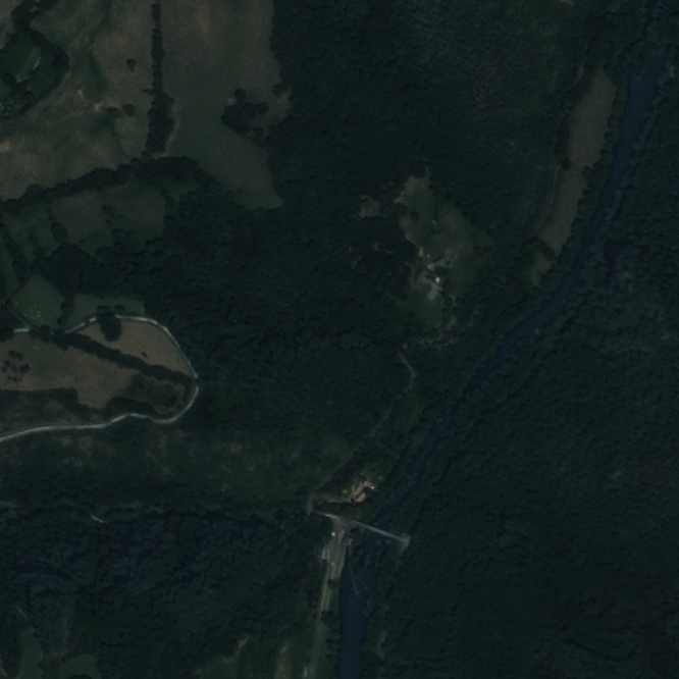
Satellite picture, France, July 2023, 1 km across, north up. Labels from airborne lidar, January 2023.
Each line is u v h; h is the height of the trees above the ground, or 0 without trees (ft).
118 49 0
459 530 70
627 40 54
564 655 83
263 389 55
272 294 56
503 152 47
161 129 24
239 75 0
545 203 39
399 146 81
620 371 50
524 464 40
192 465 21
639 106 0
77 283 69
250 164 0
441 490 63
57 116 0
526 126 48
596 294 34
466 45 45
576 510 45
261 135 37
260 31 0
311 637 0
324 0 63
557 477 27
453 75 45
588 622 39
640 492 28
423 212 0
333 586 52
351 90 64
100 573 81
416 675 36
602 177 58
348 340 108
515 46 43
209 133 0
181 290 70
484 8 43
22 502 90
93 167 0
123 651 48
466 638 66
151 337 0
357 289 71
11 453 22
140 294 56
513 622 72
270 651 0
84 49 0
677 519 36
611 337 27
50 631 104
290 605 102
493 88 33
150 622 42
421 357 67
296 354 99
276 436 21
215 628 24
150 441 28
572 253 61
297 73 53
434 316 0
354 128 82
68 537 30
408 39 45
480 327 58
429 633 71
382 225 70
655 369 27
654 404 36
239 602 99
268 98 0
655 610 67
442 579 66
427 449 0
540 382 61
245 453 29
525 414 68
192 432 34
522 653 70
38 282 0
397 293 54
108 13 0
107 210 48
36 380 0
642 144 72
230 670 0
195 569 111
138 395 0
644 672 75
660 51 0
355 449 31
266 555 97
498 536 71
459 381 83
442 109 48
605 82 0
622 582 70
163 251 57
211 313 91
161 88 45
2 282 63
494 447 39
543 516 65
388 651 45
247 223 39
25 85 36
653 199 31
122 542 32
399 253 55
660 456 34
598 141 0
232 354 61
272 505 31
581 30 66
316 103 63
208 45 0
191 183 0
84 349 45
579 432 41
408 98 88
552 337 77
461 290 0
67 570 66
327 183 70
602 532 57
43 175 0
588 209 74
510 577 71
